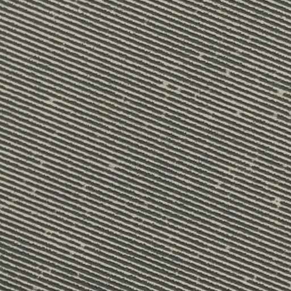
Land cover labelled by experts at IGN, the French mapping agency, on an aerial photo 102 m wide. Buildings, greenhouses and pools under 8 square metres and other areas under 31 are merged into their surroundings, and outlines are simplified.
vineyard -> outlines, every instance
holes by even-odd
[[[291,291],[291,0],[0,0],[0,291]]]

